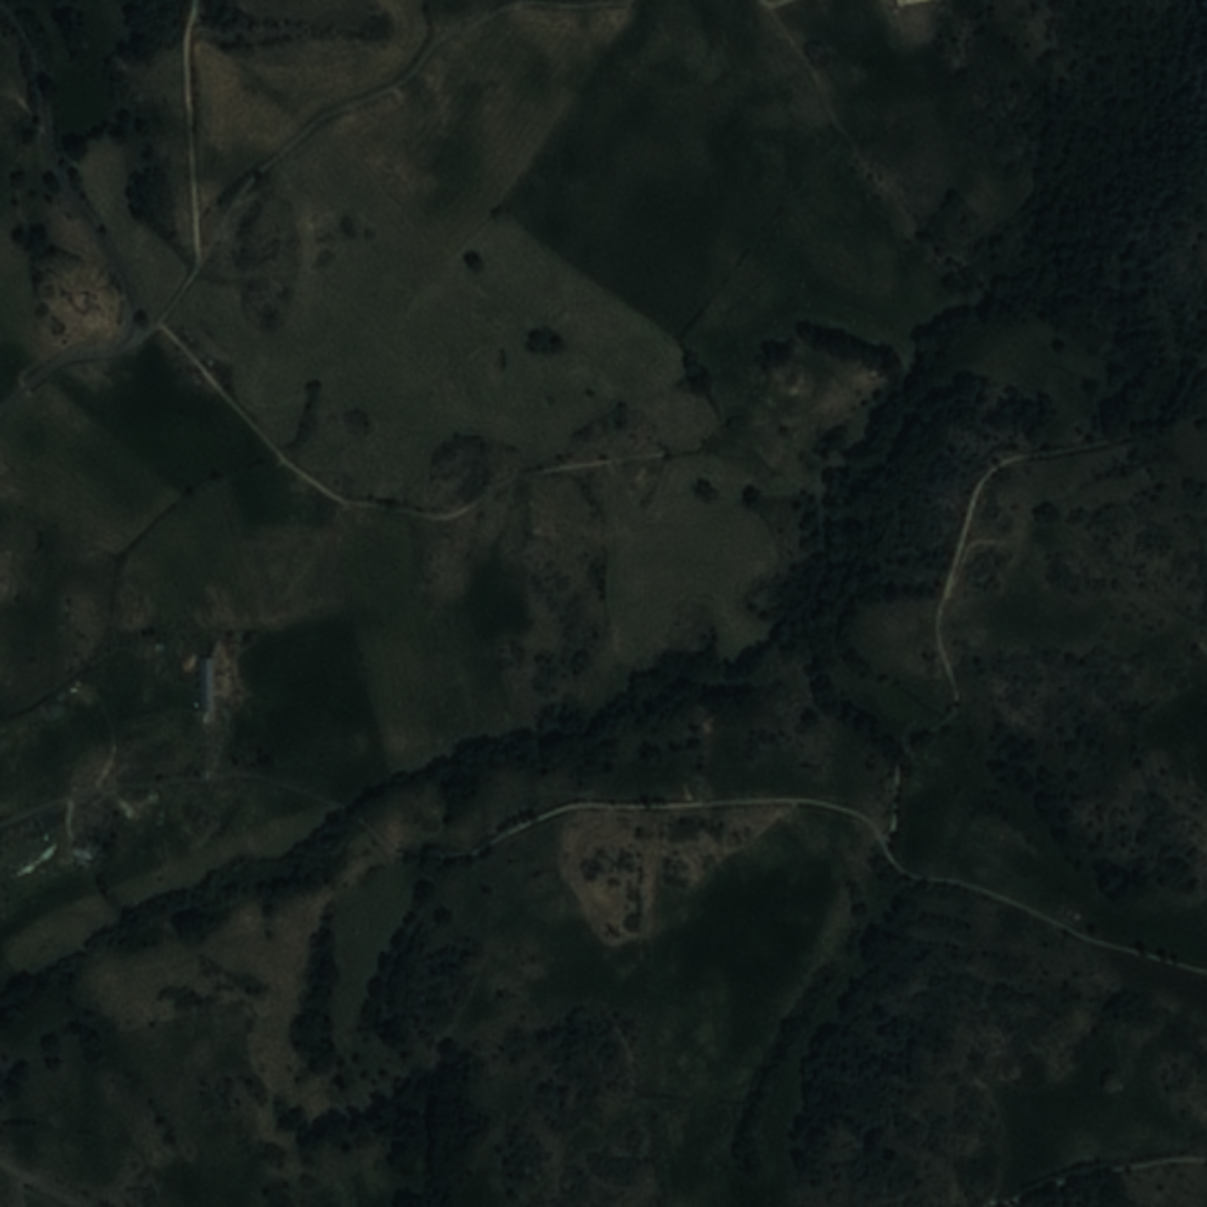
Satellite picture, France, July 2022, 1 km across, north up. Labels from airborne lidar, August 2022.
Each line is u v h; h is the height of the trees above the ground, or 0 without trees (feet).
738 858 0
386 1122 56
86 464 0
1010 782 47
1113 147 70
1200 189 22
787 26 0
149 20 29
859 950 25
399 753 0
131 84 0
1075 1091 0
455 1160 48
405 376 0
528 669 0
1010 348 0
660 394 0
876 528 31
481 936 0
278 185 0
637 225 0
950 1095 0
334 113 0
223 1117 0
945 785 0
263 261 0
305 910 0
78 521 0
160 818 0
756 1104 46
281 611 0
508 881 0
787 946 0
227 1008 0
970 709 0
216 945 0
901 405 56
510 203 0
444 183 0
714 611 0
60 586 0
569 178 0
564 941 0
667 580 0
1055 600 0
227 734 0
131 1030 0
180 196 0
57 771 0
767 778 0
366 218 0
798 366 0
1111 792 0
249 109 0
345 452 0
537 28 0
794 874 0
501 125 0
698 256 0
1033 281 57
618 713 61
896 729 0
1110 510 18
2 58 0
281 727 0
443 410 0
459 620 0
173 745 0
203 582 0
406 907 0
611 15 0
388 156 0
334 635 0
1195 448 0
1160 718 0
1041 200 21
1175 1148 0
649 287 0
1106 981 0
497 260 0
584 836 0
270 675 0
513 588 0
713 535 0
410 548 0
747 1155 59
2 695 0
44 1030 0
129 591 0
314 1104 0
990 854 0
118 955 0
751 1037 0
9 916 0
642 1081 0
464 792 51
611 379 0
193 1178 0
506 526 0
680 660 42
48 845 0
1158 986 0
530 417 0
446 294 0
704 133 0
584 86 0
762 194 0
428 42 0
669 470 0
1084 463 0
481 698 0
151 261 0
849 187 0
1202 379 31
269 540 0
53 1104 0
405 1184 0
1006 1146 0
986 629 0
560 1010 0
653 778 0
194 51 0
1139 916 0
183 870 0
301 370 0
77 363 0
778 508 0
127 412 0
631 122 0
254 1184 0
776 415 0
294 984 0
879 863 30
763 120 0
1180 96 46
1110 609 0
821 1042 42
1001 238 35
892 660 0
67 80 0
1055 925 0
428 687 0
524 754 70
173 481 0
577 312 0
